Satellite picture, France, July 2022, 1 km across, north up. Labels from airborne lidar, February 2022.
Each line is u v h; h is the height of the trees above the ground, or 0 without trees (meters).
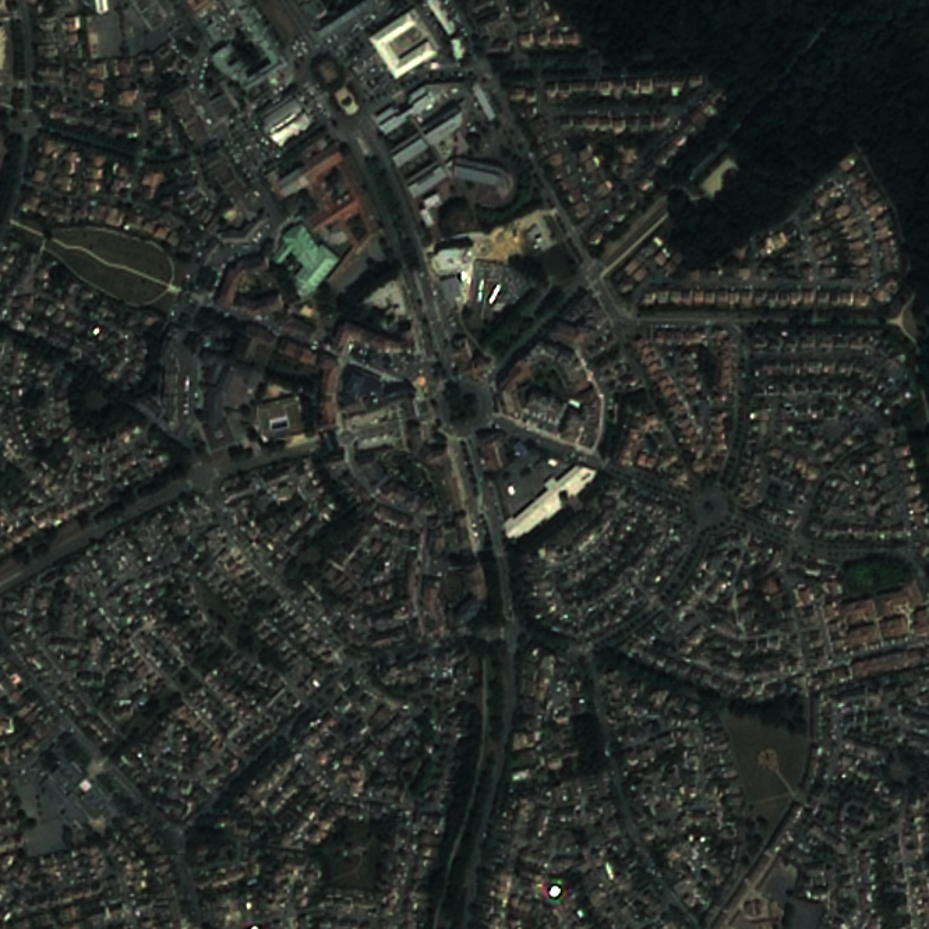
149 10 0
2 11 0
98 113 11
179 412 0
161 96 7
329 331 8
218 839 9
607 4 13
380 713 0
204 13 0
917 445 15
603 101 7
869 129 20
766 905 0
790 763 0
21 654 0
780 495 6
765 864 0
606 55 14
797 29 32
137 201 10
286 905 0
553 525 10
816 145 20
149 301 0
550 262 0
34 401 10
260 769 8
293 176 0
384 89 0
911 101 23
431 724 12
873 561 14
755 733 0
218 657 6
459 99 0
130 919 0
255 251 0
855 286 0
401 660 10
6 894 0
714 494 0
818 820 11
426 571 0
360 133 0
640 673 13
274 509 8
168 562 0
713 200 0
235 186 0
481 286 0
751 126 17
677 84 0
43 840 0
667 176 15
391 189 9
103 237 0
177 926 0
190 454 12
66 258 0
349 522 9
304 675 0
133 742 6
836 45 26
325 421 0
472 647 10
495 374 0
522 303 13
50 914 7
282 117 0
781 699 13
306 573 6
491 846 8
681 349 8
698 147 20
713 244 10
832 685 0
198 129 0
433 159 9
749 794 0
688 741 0
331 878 7
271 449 14
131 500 10
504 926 0
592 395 0
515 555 14
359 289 13
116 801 7
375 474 0
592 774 11
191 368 0
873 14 18
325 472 15
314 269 0
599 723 11
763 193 22
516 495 0
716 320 0
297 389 15
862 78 23
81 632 0
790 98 22
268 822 8
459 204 13
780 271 11
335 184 7
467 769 8
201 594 0
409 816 0
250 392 0
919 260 9
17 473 13
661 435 10
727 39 21
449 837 11
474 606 0
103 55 0
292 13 0
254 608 6
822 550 0
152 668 0
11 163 10
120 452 0
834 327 7
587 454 0
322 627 0
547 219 0
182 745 0
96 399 0
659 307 6
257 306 0
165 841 6
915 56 18
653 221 0
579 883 6
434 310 0
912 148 25
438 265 0
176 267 0
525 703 6
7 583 0
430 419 0
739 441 7
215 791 0
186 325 8
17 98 8
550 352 0
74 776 0
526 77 11
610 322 0
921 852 0
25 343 9
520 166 7
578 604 0
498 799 6
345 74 8
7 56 0
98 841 14
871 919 0
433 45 0
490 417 0
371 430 0
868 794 6
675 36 22
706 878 10
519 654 8
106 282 0
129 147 9
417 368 0
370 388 0
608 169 8
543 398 0
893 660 0
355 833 0
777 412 0
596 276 0
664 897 9
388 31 0
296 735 8
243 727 0
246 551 0
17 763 0
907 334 0
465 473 0
